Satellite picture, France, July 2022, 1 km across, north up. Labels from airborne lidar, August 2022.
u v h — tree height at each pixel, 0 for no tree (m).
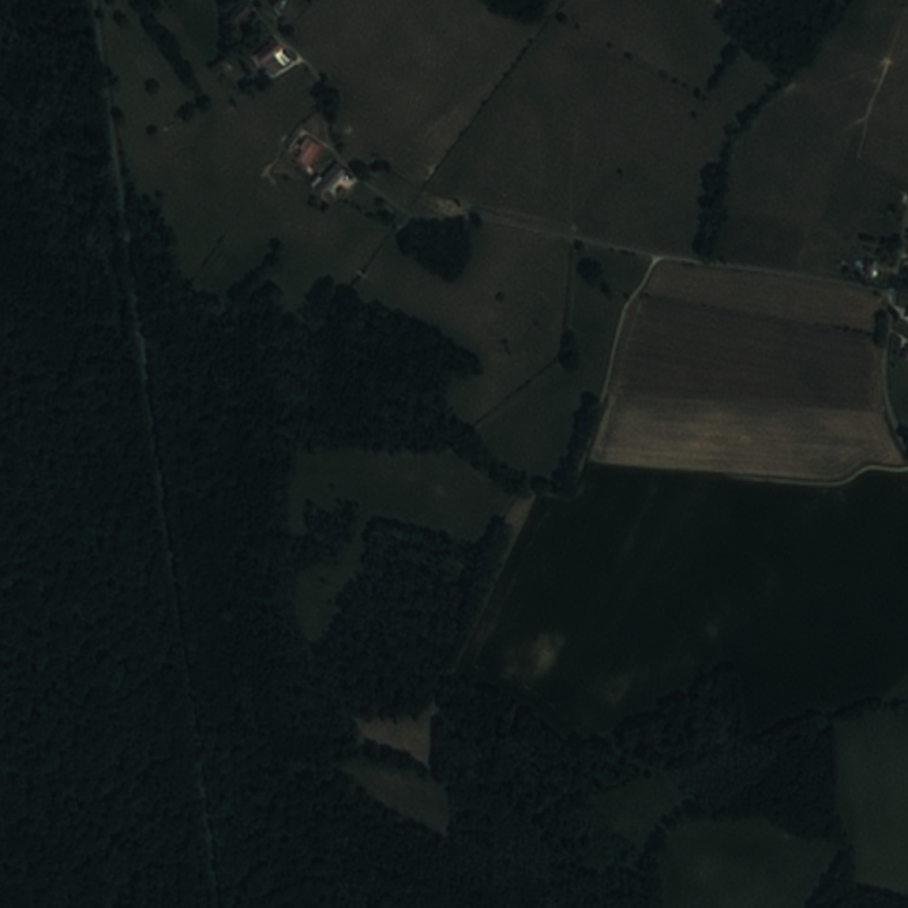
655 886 24
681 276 0
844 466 0
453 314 0
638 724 21
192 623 16
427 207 0
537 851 34
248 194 0
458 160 0
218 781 20
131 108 0
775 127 0
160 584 22
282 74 0
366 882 18
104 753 25
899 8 0
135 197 14
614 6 0
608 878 7
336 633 17
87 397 24
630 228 0
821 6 26
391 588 30
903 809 0
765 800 15
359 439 22
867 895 19
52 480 19
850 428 0
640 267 0
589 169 0
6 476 21
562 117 0
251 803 23
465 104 0
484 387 0
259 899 24
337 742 12
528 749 18
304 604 0
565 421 0
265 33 7
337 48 0
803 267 0
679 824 19
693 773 32
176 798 26
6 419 23
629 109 0
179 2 0
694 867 0
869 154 0
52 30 13
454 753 22
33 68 6
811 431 0
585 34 0
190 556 15
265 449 20
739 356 0
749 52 15
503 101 0
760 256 0
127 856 27
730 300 0
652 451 0
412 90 0
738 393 0
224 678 16
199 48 0
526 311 0
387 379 21
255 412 21
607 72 0
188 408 23
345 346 23
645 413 0
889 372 0
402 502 0
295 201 0
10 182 20
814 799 18
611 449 0
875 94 0
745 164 0
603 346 0
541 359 0
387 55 0
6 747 27
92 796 20
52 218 29
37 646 21
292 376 25
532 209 0
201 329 17
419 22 0
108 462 25
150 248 26
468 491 0
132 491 20
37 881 17
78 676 26
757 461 0
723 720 26
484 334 0
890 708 7
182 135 0
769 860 0
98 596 23
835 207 0
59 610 21
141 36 0
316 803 13
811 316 0
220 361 21
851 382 0
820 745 13
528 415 0
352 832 16
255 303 18
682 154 0
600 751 28
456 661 20
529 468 0
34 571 23
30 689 24
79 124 7
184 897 22
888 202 0
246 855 22
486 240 0
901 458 0
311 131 0
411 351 28
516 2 21
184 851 19
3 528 23
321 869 24
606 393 0
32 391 26
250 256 0
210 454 21
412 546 9
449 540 23
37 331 17
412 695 19
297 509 0
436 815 0
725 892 0
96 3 0
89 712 21
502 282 0
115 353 22
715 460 0
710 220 16
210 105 13
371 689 27
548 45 0
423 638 30
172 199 0
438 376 25
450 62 0
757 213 0
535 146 0
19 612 16
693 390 0
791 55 23
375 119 0
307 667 23
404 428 9
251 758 25
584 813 6
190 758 18
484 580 24
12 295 14
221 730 23
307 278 0
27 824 23
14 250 21
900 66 0
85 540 19
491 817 19
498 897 23
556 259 0
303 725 12
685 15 0
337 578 0
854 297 0
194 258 0
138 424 18
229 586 19
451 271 21
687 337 0
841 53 0
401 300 0
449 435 22
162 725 24
